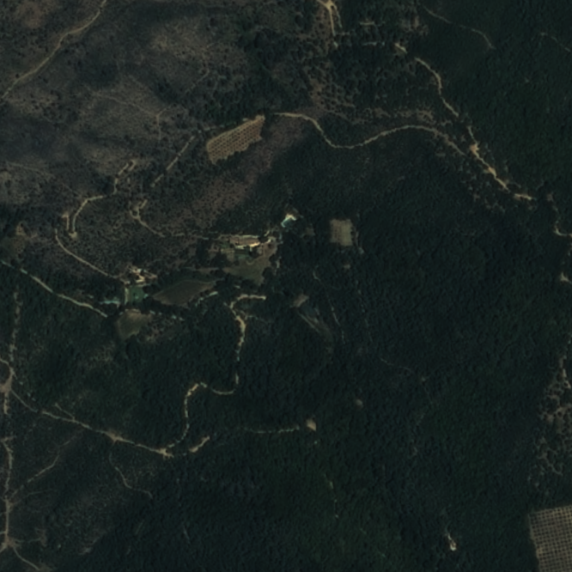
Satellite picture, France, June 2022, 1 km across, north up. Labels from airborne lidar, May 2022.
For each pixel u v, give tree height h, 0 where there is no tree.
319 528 11
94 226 8
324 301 8
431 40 6
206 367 13
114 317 12
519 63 9
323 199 6
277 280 12
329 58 8
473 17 9
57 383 8
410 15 12
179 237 8
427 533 17
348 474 7
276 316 10
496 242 9
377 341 7
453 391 6
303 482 8
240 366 19
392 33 12
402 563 12
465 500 8
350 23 13
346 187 6
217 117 8
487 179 8
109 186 14
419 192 8
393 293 13
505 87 13
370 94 11
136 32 0
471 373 6
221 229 9
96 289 7
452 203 8
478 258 12
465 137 5
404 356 8
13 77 0
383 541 12
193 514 9
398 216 7
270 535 7
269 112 9
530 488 6
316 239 14
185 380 9
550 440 8
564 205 11
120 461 6
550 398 9
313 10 8
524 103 8
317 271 9
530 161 6
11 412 8
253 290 8
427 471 7
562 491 8
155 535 10
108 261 8
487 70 6
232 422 8
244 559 8
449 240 12
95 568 9
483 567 8
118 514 8
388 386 7
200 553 11
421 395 6
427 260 14
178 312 11
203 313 10
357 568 15
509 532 7
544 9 10
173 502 9
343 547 15
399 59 14
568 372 8
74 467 6
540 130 10
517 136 8
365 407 8
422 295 10
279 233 11
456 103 10
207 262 8
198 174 10
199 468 6
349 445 8
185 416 8
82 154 0
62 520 7
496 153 10
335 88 8
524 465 7
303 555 14
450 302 6
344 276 8
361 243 12
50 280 14
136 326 0
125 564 10
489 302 10
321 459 12
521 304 10
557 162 9
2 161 20
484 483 6
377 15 17
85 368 9
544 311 12
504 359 12
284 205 8
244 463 9
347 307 10
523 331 6
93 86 0
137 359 6
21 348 10
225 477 15
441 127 8
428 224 9
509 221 11
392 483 13
